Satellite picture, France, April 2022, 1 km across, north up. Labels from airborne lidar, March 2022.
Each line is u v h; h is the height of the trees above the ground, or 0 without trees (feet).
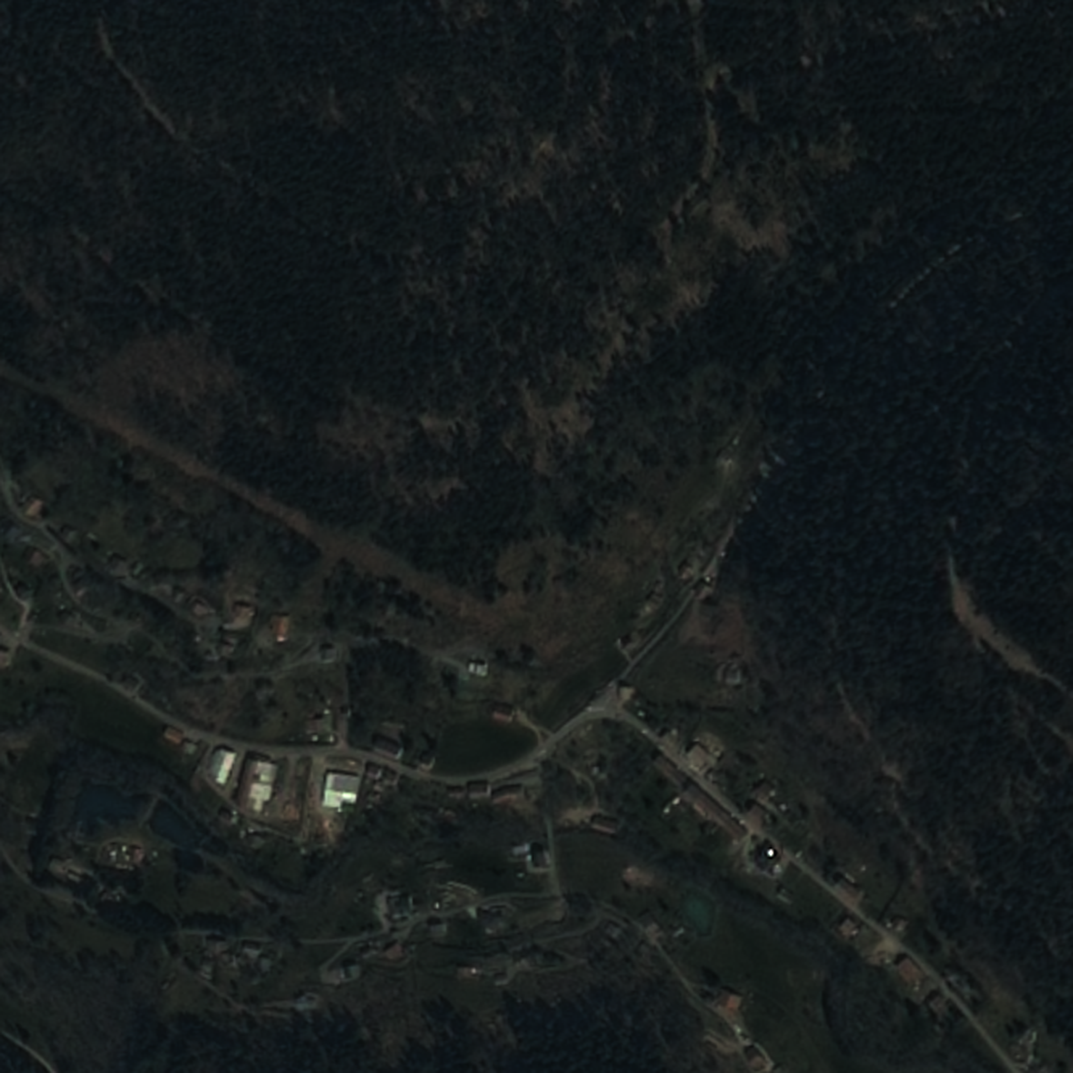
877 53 94
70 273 90
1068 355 43
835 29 109
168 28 62
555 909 0
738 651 0
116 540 0
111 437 37
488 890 0
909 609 55
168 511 48
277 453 84
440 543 40
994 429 82
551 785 48
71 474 53
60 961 49
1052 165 156
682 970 0
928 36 93
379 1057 24
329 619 20
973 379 94
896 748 60
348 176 98
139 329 99
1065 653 35
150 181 77
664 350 84
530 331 63
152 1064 109
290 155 73
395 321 77
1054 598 51
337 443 76
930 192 83
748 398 28
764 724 53
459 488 0
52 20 78
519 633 0
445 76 66
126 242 79
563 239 102
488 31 100
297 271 83
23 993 21
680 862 62
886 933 0
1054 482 59
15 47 61
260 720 48
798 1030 0
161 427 76
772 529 34
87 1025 74
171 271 107
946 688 70
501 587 36
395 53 81
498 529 73
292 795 0
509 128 72
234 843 22
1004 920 86
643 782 38
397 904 0
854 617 56
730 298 80
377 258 69
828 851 40
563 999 0
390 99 57
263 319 61
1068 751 66
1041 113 93
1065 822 61
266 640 0
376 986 0
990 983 0
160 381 72
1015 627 55
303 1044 49
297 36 68
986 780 94
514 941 0
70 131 73
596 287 92
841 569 80
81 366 85
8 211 80
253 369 73
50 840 81
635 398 73
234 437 90
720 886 56
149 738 0
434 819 33
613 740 36
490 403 54
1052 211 53
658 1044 72
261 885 45
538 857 0
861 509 102
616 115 89
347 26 68
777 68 89
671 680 0
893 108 113
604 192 96
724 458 0
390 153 72
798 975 0
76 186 83
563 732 0
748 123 27
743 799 0
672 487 18
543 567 51
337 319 61
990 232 84
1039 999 69
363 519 100
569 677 0
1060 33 98
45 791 0
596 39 117
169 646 33
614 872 0
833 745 75
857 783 63
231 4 72
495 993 0
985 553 77
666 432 88
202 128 58
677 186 89
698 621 0
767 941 0
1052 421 49
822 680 68
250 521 61
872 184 86
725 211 0
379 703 33
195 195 69
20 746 0
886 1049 83
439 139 52
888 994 50
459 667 0
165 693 48
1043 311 49
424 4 32
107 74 60
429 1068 40
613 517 28
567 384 22
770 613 41
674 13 92
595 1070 36
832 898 0
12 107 75
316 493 107
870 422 27
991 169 97
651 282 105
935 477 28
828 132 118
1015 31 90
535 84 78
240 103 55
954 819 96
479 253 100
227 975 0
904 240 35
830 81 98
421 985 0
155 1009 73
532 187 87
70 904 0
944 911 82
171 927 64
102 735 0
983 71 105
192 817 42
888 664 37
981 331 34
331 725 0
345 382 75
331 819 0
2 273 85
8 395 63
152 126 46
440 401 81
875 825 77
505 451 96
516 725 0
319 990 0
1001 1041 0
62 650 0
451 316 39
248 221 62
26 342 68
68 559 0
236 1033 36
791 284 27
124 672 36
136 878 28
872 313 150
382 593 19
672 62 90
